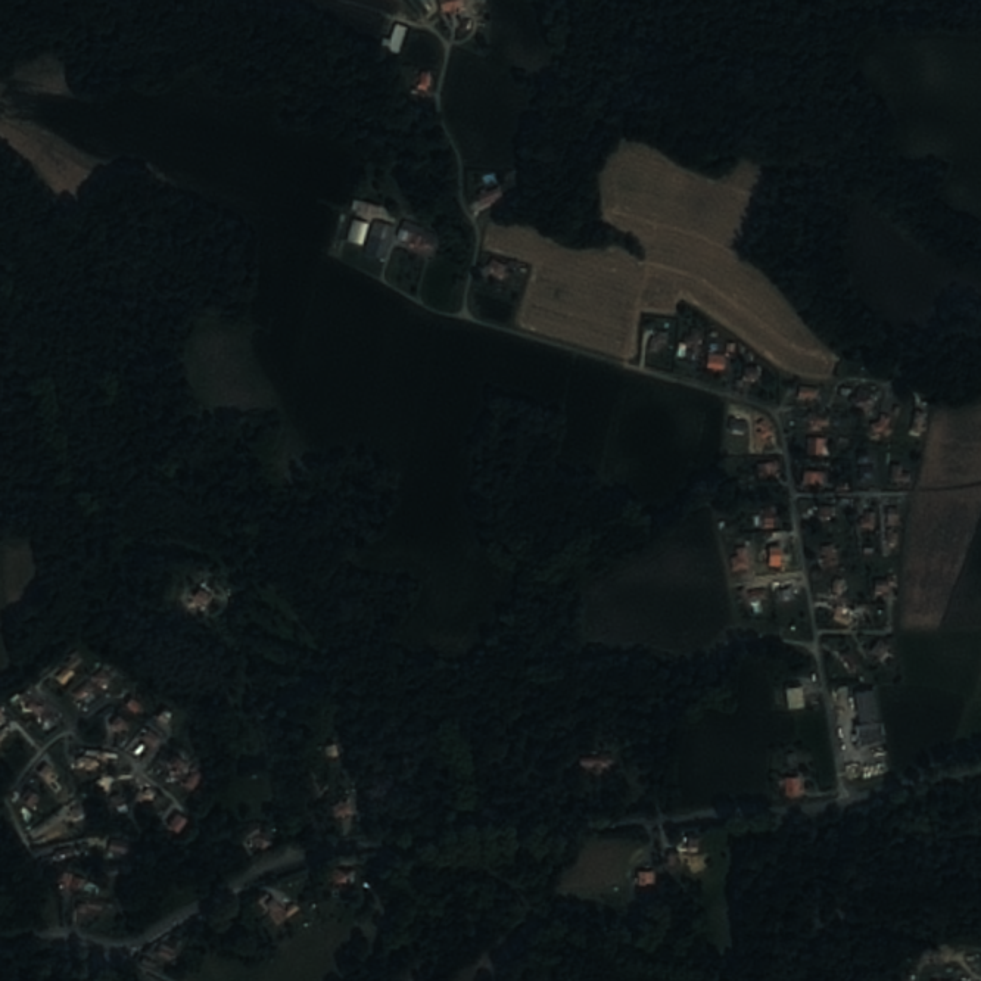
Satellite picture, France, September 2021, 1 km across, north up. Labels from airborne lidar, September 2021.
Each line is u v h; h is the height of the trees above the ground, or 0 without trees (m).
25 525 13
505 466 20
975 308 26
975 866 8
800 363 0
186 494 9
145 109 0
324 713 15
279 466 0
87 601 10
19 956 22
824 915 18
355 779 17
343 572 9
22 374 22
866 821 12
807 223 24
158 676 22
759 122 26
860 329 29
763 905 19
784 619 0
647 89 23
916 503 0
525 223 13
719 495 24
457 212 15
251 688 7
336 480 20
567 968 24
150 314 19
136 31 23
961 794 11
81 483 10
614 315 0
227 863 19
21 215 12
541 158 27
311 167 0
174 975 8
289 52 31
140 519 10
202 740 17
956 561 0
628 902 0
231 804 0
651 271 0
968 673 0
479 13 0
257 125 0
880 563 0
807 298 27
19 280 10
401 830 20
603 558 20
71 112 0
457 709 21
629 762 13
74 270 11
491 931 15
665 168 0
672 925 25
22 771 0
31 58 10
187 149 0
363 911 9
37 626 13
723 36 20
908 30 13
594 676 27
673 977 26
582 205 28
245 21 26
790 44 23
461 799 32
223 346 0
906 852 21
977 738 0
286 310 0
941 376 28
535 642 15
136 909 23
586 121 23
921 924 14
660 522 21
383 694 24
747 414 0
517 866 27
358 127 27
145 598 20
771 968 27
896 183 26
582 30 23
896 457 0
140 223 16
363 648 21
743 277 0
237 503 22
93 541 16
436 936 20
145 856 29
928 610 0
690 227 0
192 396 11
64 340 10
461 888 24
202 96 0
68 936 0
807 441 0
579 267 0
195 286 17
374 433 0
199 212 18
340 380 0
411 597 15
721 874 0
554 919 25
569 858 24
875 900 24
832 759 0
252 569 16
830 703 0
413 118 22
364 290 0
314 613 20
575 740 11
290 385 0
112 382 20
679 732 16
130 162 10
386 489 6
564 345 0
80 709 0
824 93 22
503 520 25
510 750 12
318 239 0
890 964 19
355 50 28
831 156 19
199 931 10
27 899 19
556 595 15
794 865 27
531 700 18
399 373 0
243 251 22
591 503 24
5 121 0
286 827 20
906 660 0
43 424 30
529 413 23
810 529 8
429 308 0
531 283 0
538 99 22
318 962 0
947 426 0
